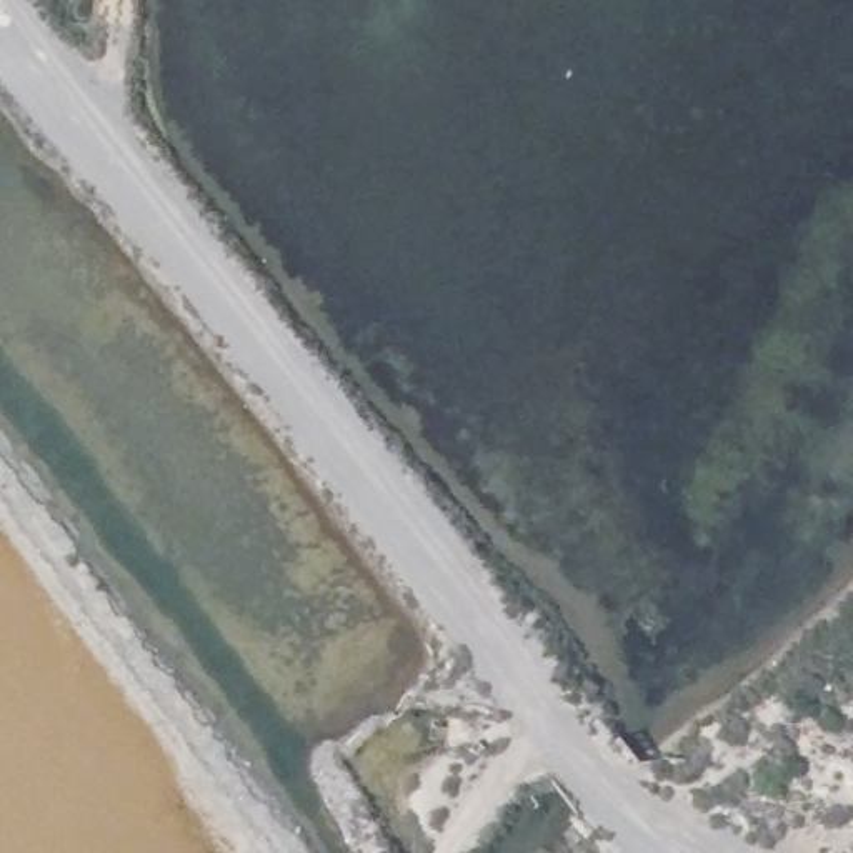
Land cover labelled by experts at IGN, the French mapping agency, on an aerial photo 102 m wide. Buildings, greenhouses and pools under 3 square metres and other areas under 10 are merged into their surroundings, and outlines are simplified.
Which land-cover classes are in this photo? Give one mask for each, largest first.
<instances>
[{"label":"water","instance_id":"1","mask_svg":"<svg viewBox=\"0 0 853 853\"><path fill-rule=\"evenodd\" d=\"M137 13L133 47L127 57V93L137 127H143L150 143L187 183L203 217L217 223L223 247L233 257H240L243 267L257 277L270 307L287 320V327L303 340V347L317 353L320 363L340 380L360 420L380 430L387 446L397 450L403 463L427 483L433 503L446 513L453 530L493 573V583L500 586L506 603V616L536 613V630L546 646V656L556 660L553 680L566 690V700L600 703L610 733L620 736L640 760L653 743H660L690 713L723 696L736 680H743L750 670L763 663L790 630H796L810 613H816L853 576V0H133ZM0 460L13 470L17 486L33 503H40L50 513V520L63 530V536L73 546L67 560L73 566H87L97 590L110 600L113 613L130 620L153 663L163 666L173 676L177 690L190 696L197 710L207 713V723L213 736L223 743L227 760L243 776L250 800L267 803L270 816H277L283 826L300 830V853H350L340 840L337 820L327 813L320 790L310 776V753L327 740H343L350 730H357L367 716L377 713H393V723L373 730V736H367L337 766L363 796L367 816L377 823L380 833V853H436L420 830L417 813L410 810V793L420 786L423 763L443 753L446 740L430 733L427 710H403L397 703L400 693L420 673V633L427 630L400 613L390 586L380 576L357 556L353 540H347V530L333 523L330 513L320 506L317 490L300 476L290 453L280 450L273 433L260 423V417L240 400L237 387L223 380L220 367L207 357L197 337L187 330V323L167 307L160 287L143 277L140 263L123 253L117 237H110L103 223H97L90 207L73 200L67 180H60L40 160H33L27 147L17 140L13 127L0 117ZM0 853H217L200 813L183 800L173 760L147 726V720L127 703L123 690L110 680L103 663L93 660L67 613L53 606L33 570L23 563L10 536L0 530ZM580 810V796L566 790L563 780L543 776L516 786L513 803H506L496 823L483 830L480 846L473 853H573L566 830L570 813Z\"/></svg>","mask_w":853,"mask_h":853},{"label":"pervious surface","instance_id":"2","mask_svg":"<svg viewBox=\"0 0 853 853\"><path fill-rule=\"evenodd\" d=\"M93 10L107 20V53L100 60H87L77 47L63 43L53 33V27L40 17V10L30 0H0V83L13 93V100L30 117V123L47 137V143H53L67 157V180L73 200L90 207L97 223H103L110 237H117L123 253L140 263L143 277L160 287L167 307L187 323V330L197 337L207 357L220 367L223 380L237 387L240 400L260 417V423L273 433L280 450L290 453L300 476L317 490H333V503L343 506L347 523H353L360 536L377 543V553H383L387 560V570L380 576L390 586L400 613L427 630L440 643L470 646L473 653V670H466L456 686L433 690L436 706H466L476 713L506 706L513 713L510 720L490 726H466L463 720H450L446 740L443 753L423 763L420 786L410 793V810L417 813L420 830L436 853H473L480 846L483 830L496 823L506 803H513L516 786L543 776L563 780L566 790L580 796V810L570 813L566 830L573 853H853V736L830 733L816 720H803L800 753L806 756L810 773L790 783L786 796L750 790L746 800H740L736 806L720 803L696 810L693 796L700 790H710L736 770H750L763 760L773 740V723H780L786 713L780 700H766L763 706H756V720L750 723L746 743L733 746L720 733L726 710L723 696L690 713L660 743V750L666 753L676 750L686 736H703L713 760L700 780L680 783L673 790V800H660L650 790H643V783L653 780V770L640 760L620 736L610 733L600 703L566 700V690L553 680L556 660L546 656V646L536 630V613L506 616V603L500 586L493 583V573L453 530L446 513L433 503L427 483L403 463L397 450L387 446L380 430L360 420L340 380L320 363L317 353L303 347V340L287 327V320L270 307L257 277L243 267L240 257H233L223 247L217 223L203 217L187 183L150 143L143 127H137L127 93V57L133 47L137 13L133 0H93ZM500 736L510 743L506 753L486 756L480 763H466L460 756V743H483ZM0 530L10 536L23 563L33 570L53 606L67 613L93 660L103 663L110 680L123 690L127 703L147 720V726L173 760L183 800L200 813L217 853H300V830L283 826L277 816H270L267 803L250 800L243 776L227 760L223 743L213 736L207 723V713L197 710L190 696L177 690L173 676L163 666L153 663L130 620L113 613L110 600L97 590L87 566H73L67 560L73 546L63 536V530L50 520V513L40 503H33L17 486L13 470L0 460ZM853 596V576L816 613H810L796 630H790L763 663L776 670L793 646L803 643V636H810L826 620H836L843 603ZM393 723V713H377L367 716L357 730H350L343 740H327L310 753V776L320 790L327 813L337 820L340 840L350 853H380V833L377 823L367 816L363 796L337 766L367 736H373V730Z\"/></svg>","mask_w":853,"mask_h":853},{"label":"brushwood","instance_id":"3","mask_svg":"<svg viewBox=\"0 0 853 853\"><path fill-rule=\"evenodd\" d=\"M40 10V17L53 27V33L63 43L77 47L87 60H100L107 53V20L93 10V0H30ZM0 117L13 127L17 140L27 147L33 160H40L60 180H67V157L53 143H47V137L30 123V117L13 100V93L0 83ZM320 506L330 513L333 523L347 530V540H353L357 556L380 576L387 570V560L383 553H377V543L360 536L353 523H347L343 506L333 503V490H317ZM723 696L726 710L720 733L733 746L746 743L750 723L756 720V706H763L766 700H780L786 713L780 723H773V740L763 760L750 770H736L710 790H700L693 796L696 810L720 803L736 806L740 800H746L750 790L786 796L790 783L810 773L806 756L800 753L803 720H816L830 733L853 736V596L843 603L836 620H826L810 636H803V643L793 646L776 670L763 663L750 670L743 680H736ZM420 673L400 693L397 703L403 710H427L430 733L446 740L450 720H463L466 726H490L510 720L513 713L506 706L476 713L466 706H436L433 690L456 686L466 670H473V653L470 646L440 643L427 630L420 633ZM510 743L500 736L483 743H460V756L466 763H480L486 756L506 753ZM640 760L653 770V780L643 783V790H650L660 800H673V790L680 783L700 780L713 760L703 736H686L676 750L666 753L660 750V743H653Z\"/></svg>","mask_w":853,"mask_h":853}]
</instances>
